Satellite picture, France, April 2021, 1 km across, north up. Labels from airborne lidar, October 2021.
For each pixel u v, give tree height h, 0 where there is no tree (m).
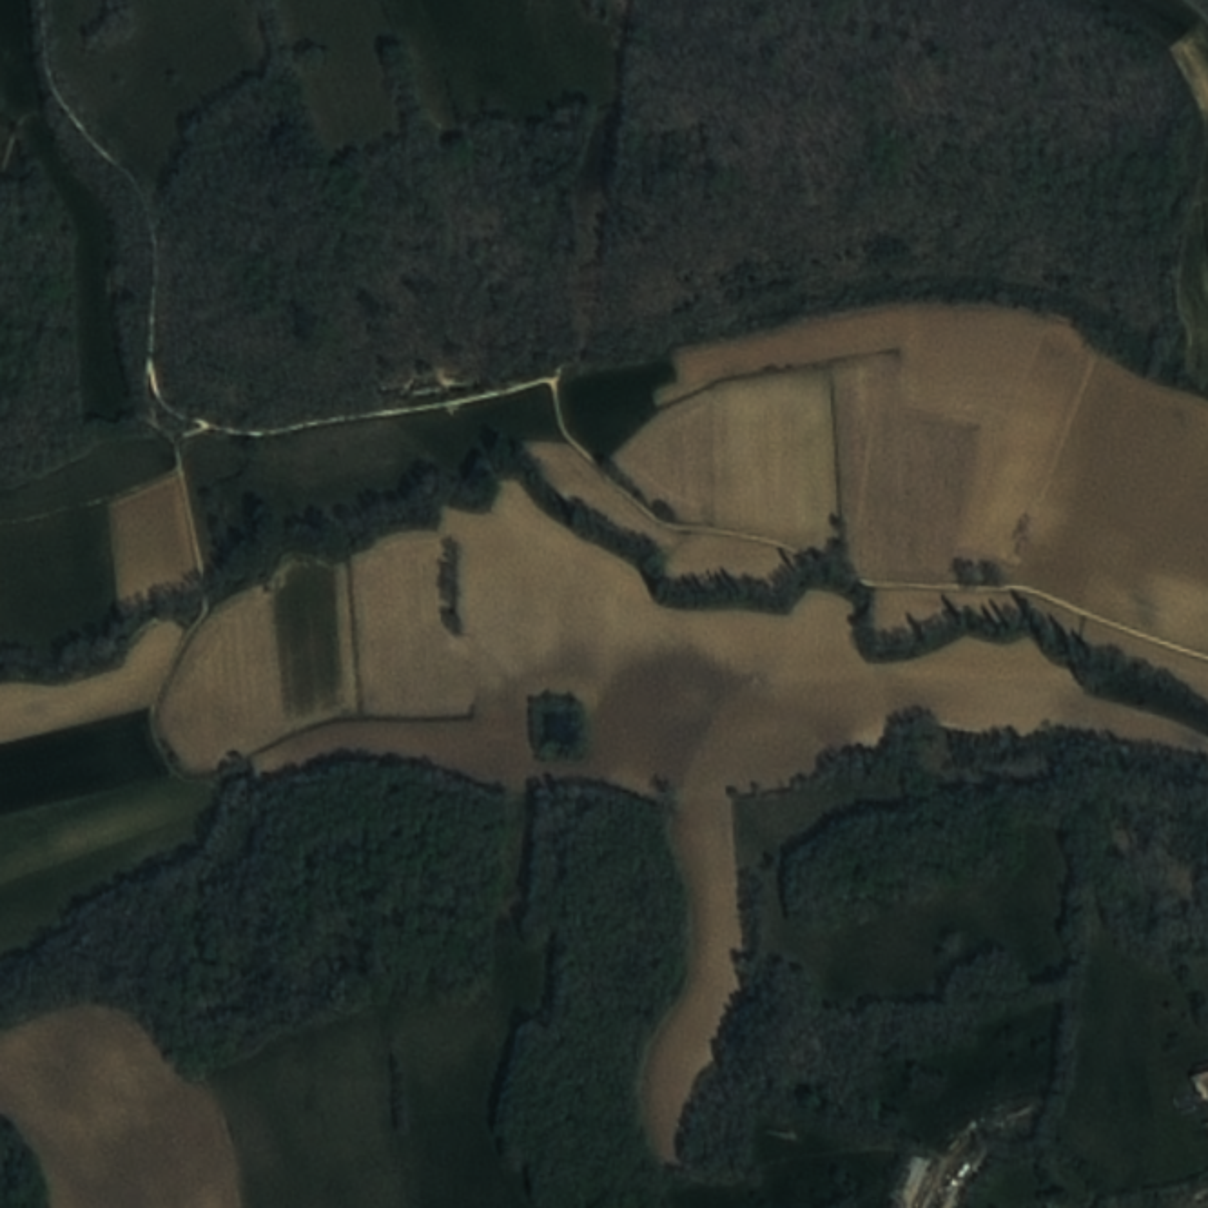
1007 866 20
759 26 22
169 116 0
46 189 24
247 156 23
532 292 19
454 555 17
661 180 19
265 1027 17
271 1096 0
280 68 19
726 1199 0
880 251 13
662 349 17
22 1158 24
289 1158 0
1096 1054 0
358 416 19
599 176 0
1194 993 10
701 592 17
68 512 0
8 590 0
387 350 15
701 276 13
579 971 22
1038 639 16
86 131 15
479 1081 0
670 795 23
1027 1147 12
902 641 16
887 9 16
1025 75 16
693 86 21
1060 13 16
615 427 0
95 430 19
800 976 12
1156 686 15
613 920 21
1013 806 21
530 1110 23
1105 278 17
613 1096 25
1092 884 18
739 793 8
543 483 23
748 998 8
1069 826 16
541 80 0
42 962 18
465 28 0
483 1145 0
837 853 22
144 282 15
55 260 23
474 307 23
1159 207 27
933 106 22
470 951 26
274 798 18
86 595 0
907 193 17
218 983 25
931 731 17
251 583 20
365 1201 0
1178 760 10
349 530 26
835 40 20
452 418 0
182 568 0
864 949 0
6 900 0
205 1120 0
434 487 26
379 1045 0
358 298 23
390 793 15
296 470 0
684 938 23
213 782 0
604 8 14
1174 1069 0
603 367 16
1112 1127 0
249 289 18
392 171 23
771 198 20
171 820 0
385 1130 0
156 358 11
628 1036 26
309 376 19
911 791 14
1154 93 16
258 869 23
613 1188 22
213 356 16
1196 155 17
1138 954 15
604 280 18
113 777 0
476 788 15
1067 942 14
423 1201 0
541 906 19
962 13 15
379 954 25
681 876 17
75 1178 0
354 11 0
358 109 0
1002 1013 15
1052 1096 6
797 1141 0
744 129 20
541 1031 21
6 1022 14
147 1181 0
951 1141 0
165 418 19
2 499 0
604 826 22
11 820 0
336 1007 19
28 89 0
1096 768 18
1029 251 19
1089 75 20
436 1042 0
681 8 19
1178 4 0
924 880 21
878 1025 15
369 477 0
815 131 18
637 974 24
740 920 8
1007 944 0
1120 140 23
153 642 0
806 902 20
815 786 8
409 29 0
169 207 17
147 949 17
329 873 24
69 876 0
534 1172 16
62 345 22
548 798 21
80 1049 0
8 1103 0
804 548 0
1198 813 12
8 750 0
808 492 0
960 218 9
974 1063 0
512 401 0
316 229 20
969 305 8
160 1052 14
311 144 21
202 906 23
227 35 0
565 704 10
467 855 22
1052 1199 12
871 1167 0
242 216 17
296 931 26
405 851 23
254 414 15
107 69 0
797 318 14
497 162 26
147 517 0
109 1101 0
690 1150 17
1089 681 21
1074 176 22
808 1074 14
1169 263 15
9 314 15
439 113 0
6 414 19
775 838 0
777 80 21
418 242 22
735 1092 17
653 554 22
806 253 16
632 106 19
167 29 0
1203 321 0
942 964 10
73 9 0
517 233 27
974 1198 11
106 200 18
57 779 0
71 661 21
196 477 0
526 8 0
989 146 16
